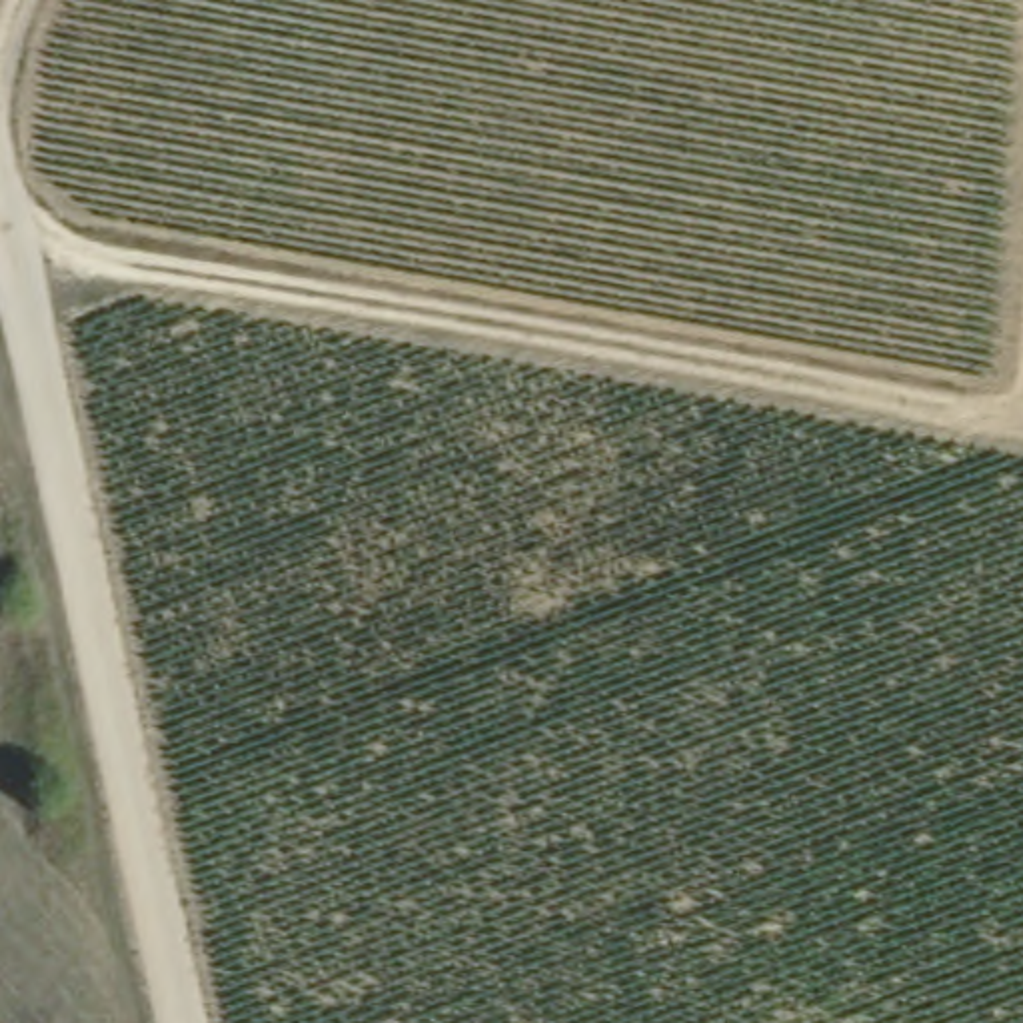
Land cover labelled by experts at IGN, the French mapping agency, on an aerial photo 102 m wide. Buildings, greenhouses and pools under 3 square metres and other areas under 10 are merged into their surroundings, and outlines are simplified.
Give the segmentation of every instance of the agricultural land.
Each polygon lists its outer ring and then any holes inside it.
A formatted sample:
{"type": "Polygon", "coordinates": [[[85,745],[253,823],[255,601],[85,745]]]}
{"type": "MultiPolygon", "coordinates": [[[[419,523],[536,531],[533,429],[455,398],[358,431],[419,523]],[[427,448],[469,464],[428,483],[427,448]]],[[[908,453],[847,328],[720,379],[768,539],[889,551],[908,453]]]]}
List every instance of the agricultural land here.
{"type": "Polygon", "coordinates": [[[88,731],[88,707],[76,675],[76,651],[36,488],[32,448],[24,432],[16,372],[0,324],[0,1023],[156,1023],[112,847],[108,799],[88,731]],[[48,819],[40,811],[36,791],[40,775],[76,779],[76,807],[48,819]]]}

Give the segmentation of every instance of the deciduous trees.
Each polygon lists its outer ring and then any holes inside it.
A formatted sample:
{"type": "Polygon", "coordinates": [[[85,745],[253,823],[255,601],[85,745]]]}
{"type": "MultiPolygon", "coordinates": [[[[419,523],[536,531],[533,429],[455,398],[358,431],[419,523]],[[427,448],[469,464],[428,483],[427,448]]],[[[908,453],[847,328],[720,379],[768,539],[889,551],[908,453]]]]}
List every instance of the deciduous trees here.
{"type": "Polygon", "coordinates": [[[40,811],[48,819],[76,807],[76,779],[40,775],[36,791],[40,811]]]}

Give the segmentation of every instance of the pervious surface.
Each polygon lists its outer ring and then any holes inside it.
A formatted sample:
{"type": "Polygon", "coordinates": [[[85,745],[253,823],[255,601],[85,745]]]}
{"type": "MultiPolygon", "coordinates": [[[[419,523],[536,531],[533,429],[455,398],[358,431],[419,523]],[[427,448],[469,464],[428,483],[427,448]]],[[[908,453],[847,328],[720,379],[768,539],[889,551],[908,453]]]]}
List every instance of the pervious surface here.
{"type": "Polygon", "coordinates": [[[635,332],[607,332],[500,308],[400,296],[384,288],[356,288],[136,248],[108,248],[72,236],[28,200],[8,136],[12,68],[36,0],[0,0],[0,324],[16,372],[24,432],[32,448],[36,488],[76,651],[76,675],[88,707],[88,731],[108,799],[112,847],[156,1023],[212,1023],[212,963],[204,951],[192,947],[180,907],[180,879],[188,875],[188,859],[180,847],[176,799],[160,755],[160,727],[144,695],[148,667],[132,635],[132,599],[120,575],[120,539],[112,531],[108,496],[100,484],[92,424],[84,412],[76,412],[68,396],[64,352],[72,344],[64,344],[56,332],[40,256],[52,256],[60,268],[72,268],[84,280],[228,296],[232,304],[224,308],[236,312],[240,300],[260,300],[356,320],[436,328],[452,336],[547,348],[563,356],[587,356],[683,380],[759,388],[767,396],[843,404],[855,412],[855,420],[867,428],[967,440],[995,452],[1023,448],[1023,404],[1011,392],[951,396],[767,356],[651,340],[635,332]]]}

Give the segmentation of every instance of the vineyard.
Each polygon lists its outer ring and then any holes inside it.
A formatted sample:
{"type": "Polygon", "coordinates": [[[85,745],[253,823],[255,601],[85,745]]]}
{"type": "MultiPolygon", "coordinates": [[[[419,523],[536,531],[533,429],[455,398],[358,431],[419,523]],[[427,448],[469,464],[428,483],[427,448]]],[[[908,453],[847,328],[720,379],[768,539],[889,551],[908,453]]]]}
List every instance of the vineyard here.
{"type": "Polygon", "coordinates": [[[867,428],[855,420],[835,424],[787,408],[751,408],[675,388],[623,384],[611,376],[575,376],[504,356],[392,344],[236,312],[224,308],[124,296],[100,312],[80,316],[72,324],[72,344],[64,352],[68,396],[76,412],[84,412],[92,424],[100,484],[108,496],[112,531],[120,539],[120,575],[132,599],[132,635],[148,667],[144,695],[160,727],[160,755],[176,799],[180,847],[188,859],[188,875],[180,879],[180,907],[192,947],[204,951],[212,963],[212,1023],[1023,1023],[1023,448],[995,452],[967,440],[867,428]]]}
{"type": "Polygon", "coordinates": [[[995,336],[1011,340],[1023,328],[1023,0],[64,0],[40,56],[32,168],[92,216],[240,240],[280,252],[304,252],[428,280],[523,292],[583,308],[631,312],[671,324],[699,324],[875,360],[947,368],[967,376],[987,372],[995,336]]]}

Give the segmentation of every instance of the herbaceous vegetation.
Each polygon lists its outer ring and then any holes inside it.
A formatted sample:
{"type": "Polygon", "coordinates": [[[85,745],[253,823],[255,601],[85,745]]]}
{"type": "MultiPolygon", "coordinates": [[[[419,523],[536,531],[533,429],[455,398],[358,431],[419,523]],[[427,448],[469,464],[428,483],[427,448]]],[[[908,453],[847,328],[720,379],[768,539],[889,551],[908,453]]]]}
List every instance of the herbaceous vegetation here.
{"type": "Polygon", "coordinates": [[[56,332],[64,344],[72,344],[72,324],[80,316],[100,312],[124,296],[224,308],[232,304],[228,296],[84,280],[72,268],[60,268],[52,256],[40,256],[56,332]]]}
{"type": "Polygon", "coordinates": [[[967,376],[947,368],[875,360],[699,324],[671,324],[631,312],[583,308],[523,292],[428,280],[304,252],[280,252],[240,240],[92,216],[32,168],[40,56],[64,0],[36,0],[12,68],[8,136],[28,200],[72,236],[108,248],[136,248],[356,288],[384,288],[400,296],[500,308],[607,332],[635,332],[651,340],[767,356],[951,396],[1011,392],[1023,404],[1023,328],[1011,340],[995,336],[987,372],[967,376]]]}
{"type": "Polygon", "coordinates": [[[356,320],[260,300],[240,300],[236,312],[392,344],[504,356],[575,376],[611,376],[623,384],[675,388],[751,408],[787,408],[835,424],[855,420],[855,412],[843,404],[767,396],[759,388],[683,380],[587,356],[563,356],[547,348],[452,336],[436,328],[356,320]]]}

